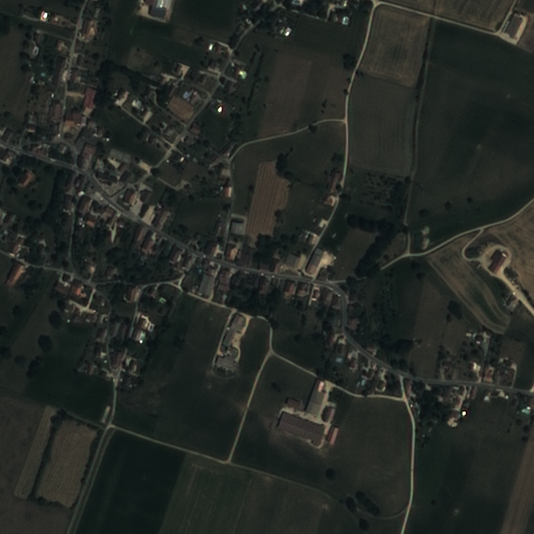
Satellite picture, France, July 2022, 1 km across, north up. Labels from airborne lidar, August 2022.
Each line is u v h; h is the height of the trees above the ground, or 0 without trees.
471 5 0
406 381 0
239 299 10
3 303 0
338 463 0
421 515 0
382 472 0
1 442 0
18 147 0
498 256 0
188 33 0
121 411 0
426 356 0
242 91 0
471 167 0
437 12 0
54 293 7
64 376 0
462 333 0
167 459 0
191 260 0
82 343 0
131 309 0
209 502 0
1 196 0
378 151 0
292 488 0
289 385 0
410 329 0
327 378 9
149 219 0
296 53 0
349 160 0
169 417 0
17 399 0
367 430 0
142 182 0
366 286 6
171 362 0
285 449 0
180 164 10
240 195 0
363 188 0
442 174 0
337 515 0
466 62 0
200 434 0
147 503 0
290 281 0
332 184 0
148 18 0
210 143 10
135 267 6
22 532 0
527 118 0
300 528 0
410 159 0
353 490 0
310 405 0
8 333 12
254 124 0
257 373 0
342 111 0
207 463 0
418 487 0
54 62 12
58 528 0
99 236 12
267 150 0
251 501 0
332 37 0
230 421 0
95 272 0
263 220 0
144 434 0
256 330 0
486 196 0
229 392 0
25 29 7
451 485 0
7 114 11
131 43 0
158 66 8
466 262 0
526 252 0
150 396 0
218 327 0
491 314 0
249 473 0
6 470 0
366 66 0
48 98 0
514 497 0
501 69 0
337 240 0
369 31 0
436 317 0
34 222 9
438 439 0
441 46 0
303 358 0
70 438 0
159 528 0
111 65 14
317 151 0
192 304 0
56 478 0
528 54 0
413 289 0
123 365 8
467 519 0
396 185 7
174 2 0
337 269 0
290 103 0
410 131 0
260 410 0
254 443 0
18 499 0
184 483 0
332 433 0
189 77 6
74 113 0
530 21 0
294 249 0
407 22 0
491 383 0
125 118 0
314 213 0
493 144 0
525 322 0
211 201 0
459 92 0
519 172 0
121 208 0
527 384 0
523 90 0
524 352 0
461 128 0
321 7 13
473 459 0
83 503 0
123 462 0
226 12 0
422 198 0
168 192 9
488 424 0
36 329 0
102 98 22
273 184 0
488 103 0
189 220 0
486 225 0
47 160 0
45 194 0
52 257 10
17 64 0
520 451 0
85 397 0
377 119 0
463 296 0
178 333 0
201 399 0
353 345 0
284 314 0
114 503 0
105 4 6
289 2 7
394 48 0
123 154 0
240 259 0
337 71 0
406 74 0
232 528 0
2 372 0
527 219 0
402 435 0
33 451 0
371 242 0
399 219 8
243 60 0
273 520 0
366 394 7
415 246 0
